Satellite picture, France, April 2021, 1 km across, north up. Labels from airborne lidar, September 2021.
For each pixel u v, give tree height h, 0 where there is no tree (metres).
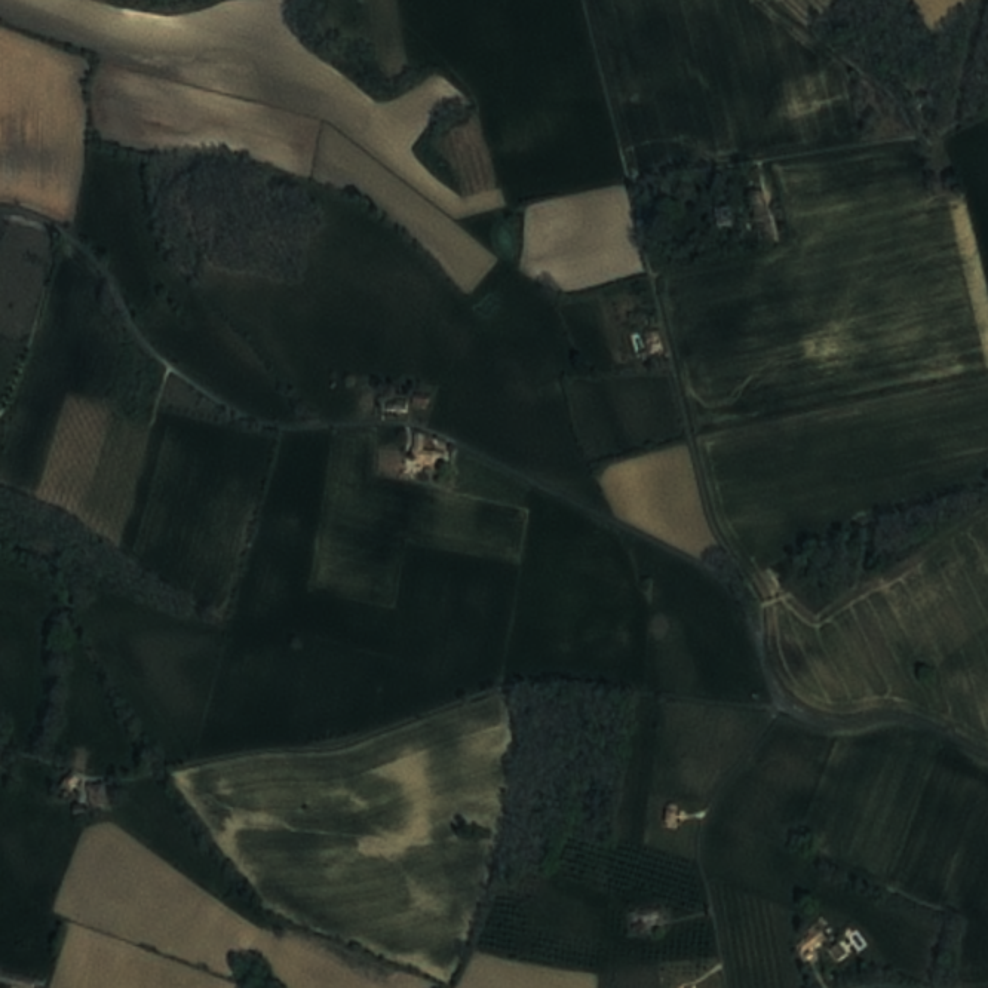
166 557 0
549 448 0
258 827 0
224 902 0
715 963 0
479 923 12
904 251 0
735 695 0
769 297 0
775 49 0
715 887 0
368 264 0
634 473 0
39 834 0
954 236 0
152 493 0
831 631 0
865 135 12
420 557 0
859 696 0
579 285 0
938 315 0
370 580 0
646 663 0
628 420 0
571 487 0
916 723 0
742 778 0
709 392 0
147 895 0
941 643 0
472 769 0
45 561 15
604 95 0
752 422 0
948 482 0
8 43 0
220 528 0
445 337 0
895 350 0
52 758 16
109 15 0
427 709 0
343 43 13
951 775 0
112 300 14
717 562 17
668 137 0
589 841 13
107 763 0
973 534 0
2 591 0
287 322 0
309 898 0
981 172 0
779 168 0
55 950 10
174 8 11
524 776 19
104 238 0
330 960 0
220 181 13
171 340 0
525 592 0
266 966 14
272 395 0
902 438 0
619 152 0
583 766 19
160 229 18
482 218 0
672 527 0
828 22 6
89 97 9
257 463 0
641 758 0
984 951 0
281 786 0
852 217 0
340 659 0
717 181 21
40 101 0
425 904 0
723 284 0
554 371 0
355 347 0
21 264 0
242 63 0
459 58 0
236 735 0
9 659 0
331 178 0
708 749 0
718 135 0
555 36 0
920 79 19
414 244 9
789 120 0
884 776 0
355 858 0
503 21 0
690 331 0
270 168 7
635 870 6
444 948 0
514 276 0
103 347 0
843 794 0
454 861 0
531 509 0
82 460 0
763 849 0
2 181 0
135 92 0
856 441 0
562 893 0
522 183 0
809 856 16
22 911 0
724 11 0
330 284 0
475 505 0
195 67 0
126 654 0
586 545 0
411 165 0
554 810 20
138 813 0
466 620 0
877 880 0
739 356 0
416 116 0
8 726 21
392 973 0
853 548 19
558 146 0
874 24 18
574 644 0
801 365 0
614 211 0
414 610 0
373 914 0
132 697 0
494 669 0
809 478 0
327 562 0
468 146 0
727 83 0
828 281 0
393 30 0
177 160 14
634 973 0
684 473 0
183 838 0
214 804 0
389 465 0
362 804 0
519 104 0
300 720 0
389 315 0
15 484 0
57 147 0
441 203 0
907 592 0
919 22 20
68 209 0
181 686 0
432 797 0
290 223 17
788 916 0
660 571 0
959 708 0
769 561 0
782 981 0
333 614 0
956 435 0
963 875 0
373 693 0
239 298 0
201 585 0
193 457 0
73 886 0
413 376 0
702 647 0
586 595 0
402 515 0
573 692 21
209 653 0
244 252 16
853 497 0
